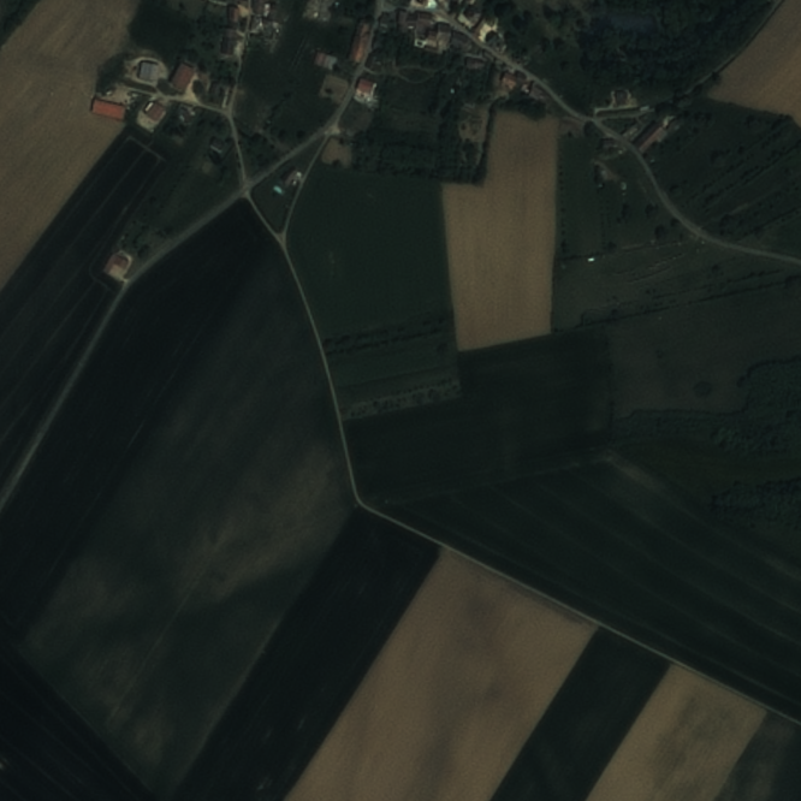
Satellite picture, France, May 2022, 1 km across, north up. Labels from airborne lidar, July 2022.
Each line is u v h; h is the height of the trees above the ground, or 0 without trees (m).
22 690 0
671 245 0
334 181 0
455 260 0
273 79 0
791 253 0
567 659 0
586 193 0
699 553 0
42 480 0
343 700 0
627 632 0
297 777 0
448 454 0
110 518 0
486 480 0
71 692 0
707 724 0
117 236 0
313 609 0
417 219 0
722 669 0
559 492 0
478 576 0
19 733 0
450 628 0
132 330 0
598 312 0
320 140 0
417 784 0
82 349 0
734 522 7
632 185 0
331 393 0
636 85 15
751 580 0
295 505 0
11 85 0
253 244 0
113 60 0
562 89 0
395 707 0
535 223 0
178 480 0
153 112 0
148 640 0
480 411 0
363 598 0
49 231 0
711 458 0
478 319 0
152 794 0
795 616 0
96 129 0
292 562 0
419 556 0
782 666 0
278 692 0
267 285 0
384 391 0
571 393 0
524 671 0
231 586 0
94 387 0
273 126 8
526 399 0
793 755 0
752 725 0
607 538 0
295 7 0
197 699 0
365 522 0
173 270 0
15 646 0
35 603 0
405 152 19
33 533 0
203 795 0
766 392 15
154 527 0
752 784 0
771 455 17
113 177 0
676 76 22
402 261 0
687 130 0
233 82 12
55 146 0
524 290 0
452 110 7
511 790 0
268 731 0
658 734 0
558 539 0
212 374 0
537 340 0
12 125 0
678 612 0
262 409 0
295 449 0
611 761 0
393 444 0
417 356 0
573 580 0
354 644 0
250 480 0
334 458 0
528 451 0
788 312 0
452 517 0
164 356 0
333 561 0
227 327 0
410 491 0
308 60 0
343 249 0
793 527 9
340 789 0
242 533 0
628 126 6
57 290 0
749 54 0
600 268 0
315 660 0
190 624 0
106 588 0
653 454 0
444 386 6
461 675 0
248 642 0
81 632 0
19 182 0
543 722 0
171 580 0
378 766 0
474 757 0
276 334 0
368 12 10
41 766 0
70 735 0
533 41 0
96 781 0
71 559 0
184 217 0
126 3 0
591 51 33
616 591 0
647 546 0
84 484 0
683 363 0
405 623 0
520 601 0
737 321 0
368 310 0
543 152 0
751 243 0
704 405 0
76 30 0
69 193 0
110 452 0
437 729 0
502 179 0
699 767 0
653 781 0
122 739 0
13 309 0
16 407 0
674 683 0
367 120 0
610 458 0
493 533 0
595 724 0
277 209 0
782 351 0
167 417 0
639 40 16
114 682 0
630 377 0
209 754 0
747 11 20
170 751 0
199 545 0
